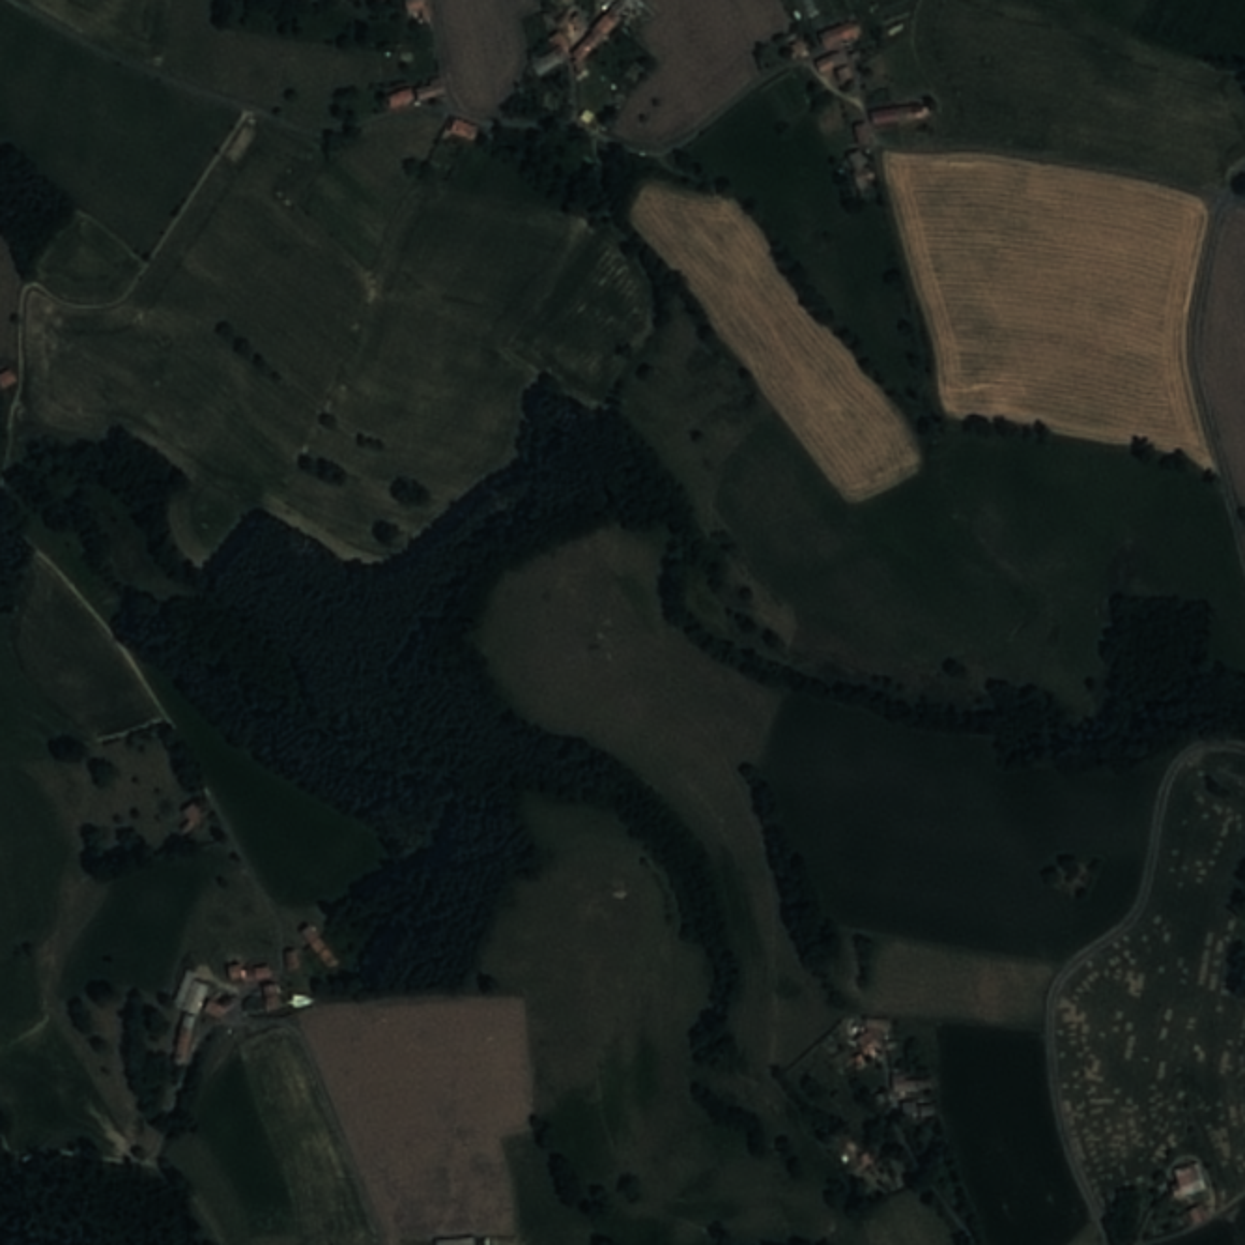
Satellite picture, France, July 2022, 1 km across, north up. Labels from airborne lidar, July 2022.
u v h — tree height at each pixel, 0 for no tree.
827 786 0
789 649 0
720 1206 0
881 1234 0
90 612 0
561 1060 0
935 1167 17
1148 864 0
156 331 0
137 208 0
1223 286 0
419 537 0
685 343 0
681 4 0
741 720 0
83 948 0
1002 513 0
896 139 0
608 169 12
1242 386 0
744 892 0
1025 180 0
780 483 0
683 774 0
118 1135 0
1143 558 0
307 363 0
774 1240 0
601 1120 0
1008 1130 0
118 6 0
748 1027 0
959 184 0
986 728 9
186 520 0
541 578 0
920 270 0
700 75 0
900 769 0
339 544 0
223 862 0
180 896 0
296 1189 0
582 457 28
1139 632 13
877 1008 0
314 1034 0
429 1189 0
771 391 0
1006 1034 0
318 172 0
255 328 0
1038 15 0
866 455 0
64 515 20
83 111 0
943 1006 0
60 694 0
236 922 0
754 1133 15
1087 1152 0
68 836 0
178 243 0
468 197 0
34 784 0
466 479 0
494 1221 0
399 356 0
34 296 0
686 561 12
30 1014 0
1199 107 0
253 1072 0
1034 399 0
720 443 0
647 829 15
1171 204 0
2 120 0
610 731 0
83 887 0
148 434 0
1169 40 0
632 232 12
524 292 0
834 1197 12
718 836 0
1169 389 0
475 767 26
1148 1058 0
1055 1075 0
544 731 12
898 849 0
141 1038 16
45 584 0
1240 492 0
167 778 0
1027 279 0
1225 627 0
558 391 16
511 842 32
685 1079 0
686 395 0
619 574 0
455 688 27
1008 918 0
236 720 30
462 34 0
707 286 0
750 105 0
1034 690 13
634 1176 11
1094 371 0
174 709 0
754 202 13
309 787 20
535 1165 0
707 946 11
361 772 25
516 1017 0
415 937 26
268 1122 0
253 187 0
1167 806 0
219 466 0
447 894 36
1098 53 0
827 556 0
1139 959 0
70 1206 7
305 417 0
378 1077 0
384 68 0
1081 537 0
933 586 0
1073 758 25
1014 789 0
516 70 0
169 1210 6
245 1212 0
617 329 0
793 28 7
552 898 0
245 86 0
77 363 0
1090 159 0
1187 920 0
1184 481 0
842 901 0
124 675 0
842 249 0
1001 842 0
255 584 26
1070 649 0
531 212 0
